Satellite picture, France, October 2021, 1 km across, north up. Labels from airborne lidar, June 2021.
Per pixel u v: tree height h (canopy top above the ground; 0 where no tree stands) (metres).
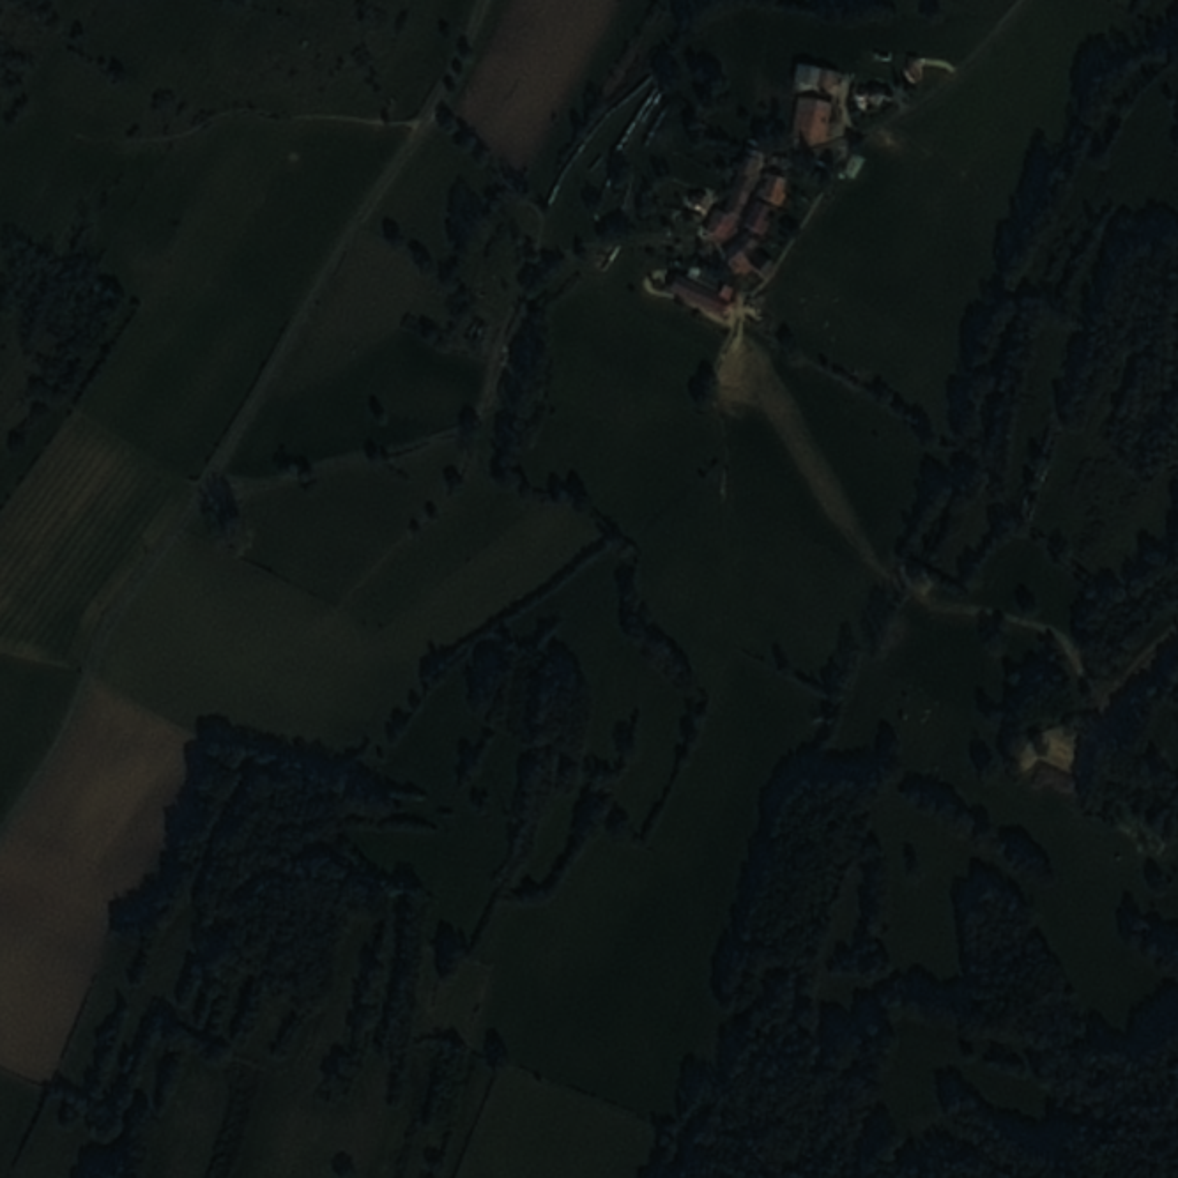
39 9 8
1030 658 0
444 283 13
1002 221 0
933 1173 19
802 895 18
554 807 0
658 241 0
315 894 22
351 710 0
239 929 20
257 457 0
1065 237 6
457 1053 14
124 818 0
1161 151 0
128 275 0
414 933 17
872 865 16
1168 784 16
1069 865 0
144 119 0
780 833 16
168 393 0
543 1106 0
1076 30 0
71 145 0
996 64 0
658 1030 0
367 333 0
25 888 0
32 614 0
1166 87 0
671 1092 0
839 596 0
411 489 0
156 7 0
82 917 0
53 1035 0
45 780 0
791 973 17
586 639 0
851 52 0
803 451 0
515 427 23
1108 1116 26
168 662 0
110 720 0
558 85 0
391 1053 14
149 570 0
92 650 0
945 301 0
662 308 0
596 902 0
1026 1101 0
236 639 0
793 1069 18
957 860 0
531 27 0
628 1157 0
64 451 0
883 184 0
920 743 0
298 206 0
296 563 0
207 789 20
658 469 0
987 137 0
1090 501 0
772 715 0
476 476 0
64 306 18
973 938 19
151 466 0
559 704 16
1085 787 14
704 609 0
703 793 0
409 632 0
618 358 0
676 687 18
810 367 0
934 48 0
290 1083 0
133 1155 19
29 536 0
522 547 0
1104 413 0
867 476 0
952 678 0
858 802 20
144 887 0
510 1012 0
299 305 0
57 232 0
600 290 0
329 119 0
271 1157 0
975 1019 22
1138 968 0
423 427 0
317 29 0
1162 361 10
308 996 16
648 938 0
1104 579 0
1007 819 0
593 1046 0
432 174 0
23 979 0
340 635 0
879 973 16
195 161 0
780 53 0
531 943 0
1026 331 19
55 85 0
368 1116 0
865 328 0
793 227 9
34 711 0
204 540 0
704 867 0
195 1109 0
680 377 0
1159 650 0
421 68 0
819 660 0
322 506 0
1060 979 24
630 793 0
